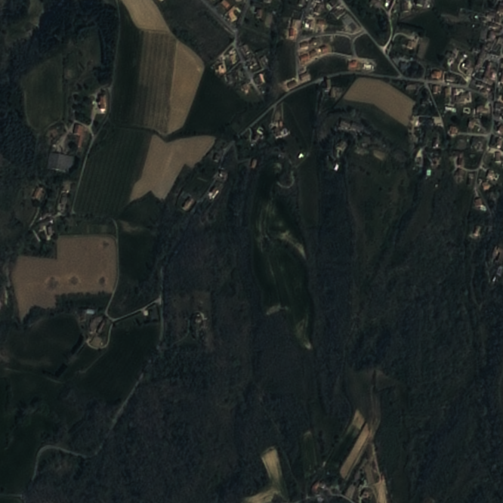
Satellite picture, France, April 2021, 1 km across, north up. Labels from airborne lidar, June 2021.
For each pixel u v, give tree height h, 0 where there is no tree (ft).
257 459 42
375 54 0
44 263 0
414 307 62
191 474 49
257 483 60
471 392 66
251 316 38
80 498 81
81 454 54
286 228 0
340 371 43
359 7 30
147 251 0
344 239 20
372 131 64
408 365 41
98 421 58
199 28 0
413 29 40
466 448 62
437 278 34
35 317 44
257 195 0
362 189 0
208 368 47
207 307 0
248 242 40
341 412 52
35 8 0
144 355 0
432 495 28
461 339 42
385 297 65
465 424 53
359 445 0
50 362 0
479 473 69
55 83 0
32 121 0
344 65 0
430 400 38
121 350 0
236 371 75
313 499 34
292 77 0
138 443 71
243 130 0
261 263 0
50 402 0
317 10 0
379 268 52
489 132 0
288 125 0
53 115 0
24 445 0
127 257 0
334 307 52
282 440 79
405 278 47
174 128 0
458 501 40
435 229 23
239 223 78
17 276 0
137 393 18
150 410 66
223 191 22
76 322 0
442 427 76
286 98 0
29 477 0
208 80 0
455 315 24
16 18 87
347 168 27
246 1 0
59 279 0
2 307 22
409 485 22
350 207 34
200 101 0
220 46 0
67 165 0
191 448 39
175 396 50
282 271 0
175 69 0
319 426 0
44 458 0
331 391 70
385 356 54
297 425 22
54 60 0
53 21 85
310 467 0
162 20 0
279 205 0
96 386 0
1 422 0
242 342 39
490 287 33
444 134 49
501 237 54
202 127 0
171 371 80
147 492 74
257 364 36
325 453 41
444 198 51
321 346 72
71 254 0
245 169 31
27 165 56
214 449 37
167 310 42
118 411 57
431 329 44
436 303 35
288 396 25
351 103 0
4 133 59
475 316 54
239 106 0
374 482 0
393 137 0
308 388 32
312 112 0
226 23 0
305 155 0
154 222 26
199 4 0
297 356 27
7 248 37
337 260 40
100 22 72
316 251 50
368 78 0
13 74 70
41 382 0
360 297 24
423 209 0
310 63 0
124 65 0
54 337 0
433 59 0
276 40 51
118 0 0
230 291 22
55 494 54
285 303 0
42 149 42
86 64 0
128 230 0
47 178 29
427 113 24
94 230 0
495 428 64
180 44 0
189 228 57
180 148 0
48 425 0
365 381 0
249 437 63
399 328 56
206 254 73
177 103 0
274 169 0
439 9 31
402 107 0
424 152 18
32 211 0
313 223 0
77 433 19
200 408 50
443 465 51
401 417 30
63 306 22
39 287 0
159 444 73
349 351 49
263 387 26
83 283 0
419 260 33
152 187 0
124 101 0
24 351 0
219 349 45
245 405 73
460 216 0
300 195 43
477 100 20
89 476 72
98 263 0
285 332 27
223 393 52
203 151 0
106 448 75
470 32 0
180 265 55
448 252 42
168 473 60
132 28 0
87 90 51
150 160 0
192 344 0
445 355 56
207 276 46
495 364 59
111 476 53
